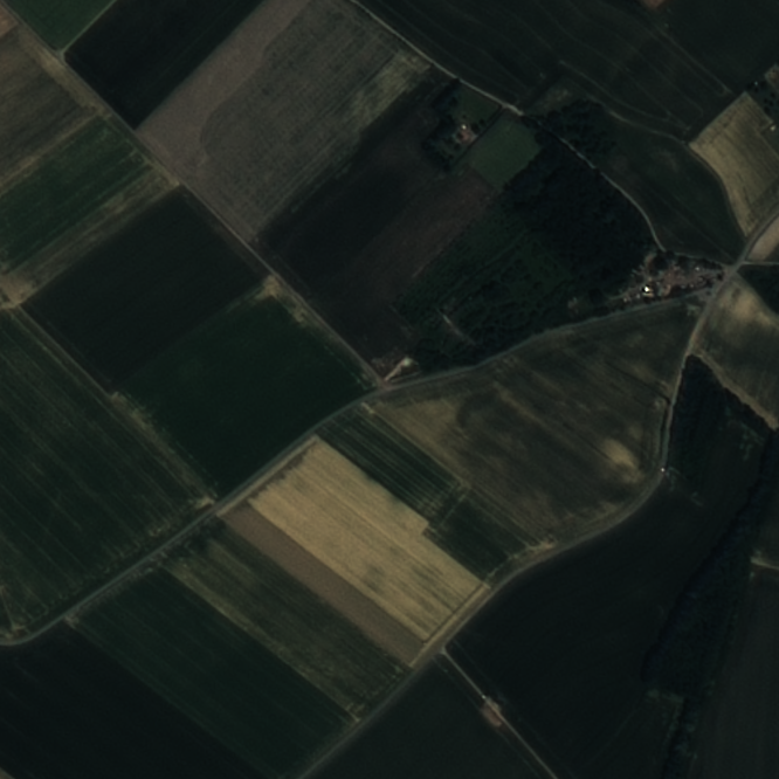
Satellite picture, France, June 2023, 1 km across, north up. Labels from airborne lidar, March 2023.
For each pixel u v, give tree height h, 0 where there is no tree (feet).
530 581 0
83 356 0
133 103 0
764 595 0
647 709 0
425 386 0
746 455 0
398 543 0
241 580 0
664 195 0
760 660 0
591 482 0
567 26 0
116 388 0
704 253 0
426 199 0
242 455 0
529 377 0
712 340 0
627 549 0
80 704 0
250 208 0
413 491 0
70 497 0
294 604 0
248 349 0
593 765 0
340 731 0
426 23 0
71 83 0
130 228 0
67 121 0
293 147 0
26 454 0
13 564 0
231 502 0
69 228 0
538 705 0
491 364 0
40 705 0
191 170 0
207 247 0
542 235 18
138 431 0
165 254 0
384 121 0
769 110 23
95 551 0
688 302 0
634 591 0
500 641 0
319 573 0
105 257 0
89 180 0
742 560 48
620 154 0
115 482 0
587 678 0
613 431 0
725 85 0
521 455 0
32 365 0
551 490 0
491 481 0
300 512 0
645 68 0
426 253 0
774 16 0
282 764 0
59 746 0
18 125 0
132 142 0
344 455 0
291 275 0
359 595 0
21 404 0
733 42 0
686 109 0
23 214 0
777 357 0
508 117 0
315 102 0
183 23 0
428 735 0
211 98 0
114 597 0
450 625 0
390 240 0
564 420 0
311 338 0
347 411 0
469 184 0
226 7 0
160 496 0
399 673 0
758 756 0
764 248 0
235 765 0
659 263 39
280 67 0
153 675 0
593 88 0
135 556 0
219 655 0
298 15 0
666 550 0
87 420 0
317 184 0
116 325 0
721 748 0
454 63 0
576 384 0
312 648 0
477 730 0
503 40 0
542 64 0
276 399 0
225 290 0
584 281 38
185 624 0
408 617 0
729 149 0
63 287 0
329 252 0
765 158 0
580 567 0
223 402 0
